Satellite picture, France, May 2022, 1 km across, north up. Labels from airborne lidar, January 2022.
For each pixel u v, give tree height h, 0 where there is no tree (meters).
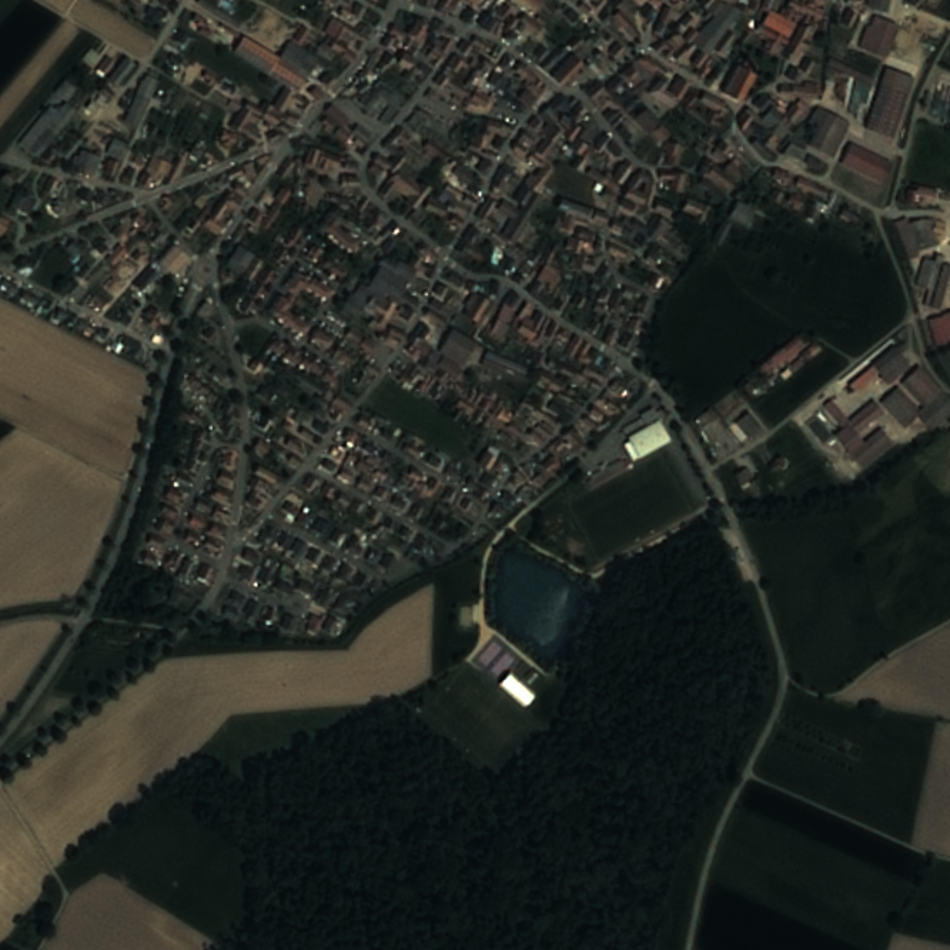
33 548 0
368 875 30
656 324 10
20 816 0
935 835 0
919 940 0
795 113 0
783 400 0
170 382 11
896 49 0
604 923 26
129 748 0
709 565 12
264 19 0
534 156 0
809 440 0
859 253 0
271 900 22
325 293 0
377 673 0
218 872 0
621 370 0
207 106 0
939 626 0
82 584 0
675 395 15
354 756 19
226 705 0
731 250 0
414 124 0
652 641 29
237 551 0
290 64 0
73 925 0
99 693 15
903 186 0
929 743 0
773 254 0
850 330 0
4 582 0
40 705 0
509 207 0
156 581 7
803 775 0
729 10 0
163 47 0
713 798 19
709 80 7
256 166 6
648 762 25
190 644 0
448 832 34
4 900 0
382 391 0
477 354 0
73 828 0
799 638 0
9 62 0
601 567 0
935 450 0
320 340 0
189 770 16
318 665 0
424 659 0
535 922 31
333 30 0
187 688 0
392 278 0
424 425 0
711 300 0
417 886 35
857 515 0
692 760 27
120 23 0
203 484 0
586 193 0
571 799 20
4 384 0
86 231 6
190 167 0
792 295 0
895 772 0
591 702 22
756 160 0
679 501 0
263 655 0
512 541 14
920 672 0
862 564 11
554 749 15
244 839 17
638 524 0
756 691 26
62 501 0
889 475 12
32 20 0
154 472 11
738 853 0
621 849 27
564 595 0
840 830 0
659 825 25
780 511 16
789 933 0
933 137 0
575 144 0
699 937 0
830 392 0
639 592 21
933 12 0
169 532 0
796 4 0
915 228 0
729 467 0
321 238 6
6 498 0
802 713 0
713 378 0
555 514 0
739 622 20
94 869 0
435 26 0
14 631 0
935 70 0
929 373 0
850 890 0
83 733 0
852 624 0
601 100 0
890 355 0
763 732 0
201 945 0
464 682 0
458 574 0
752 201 6
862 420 0
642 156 0
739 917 0
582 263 0
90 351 0
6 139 0
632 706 21
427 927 18
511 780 21
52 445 0
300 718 0
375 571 0
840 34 0
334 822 25
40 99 0
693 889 0
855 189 0
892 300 0
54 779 0
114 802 0
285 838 28
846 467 0
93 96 0
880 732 0
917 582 0
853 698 0
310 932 27
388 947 30
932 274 0
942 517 0
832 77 0
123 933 0
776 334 0
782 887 0
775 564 0
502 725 0
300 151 10
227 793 18
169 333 16
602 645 30
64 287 14
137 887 0
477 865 27
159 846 0
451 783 18
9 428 0
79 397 0
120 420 0
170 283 12
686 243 6
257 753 0
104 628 9
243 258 0
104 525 0
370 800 28
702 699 29
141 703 0
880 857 0
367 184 0
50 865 0
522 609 0
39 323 0
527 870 26
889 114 0
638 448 0
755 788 0
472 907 32
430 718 0
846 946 0
